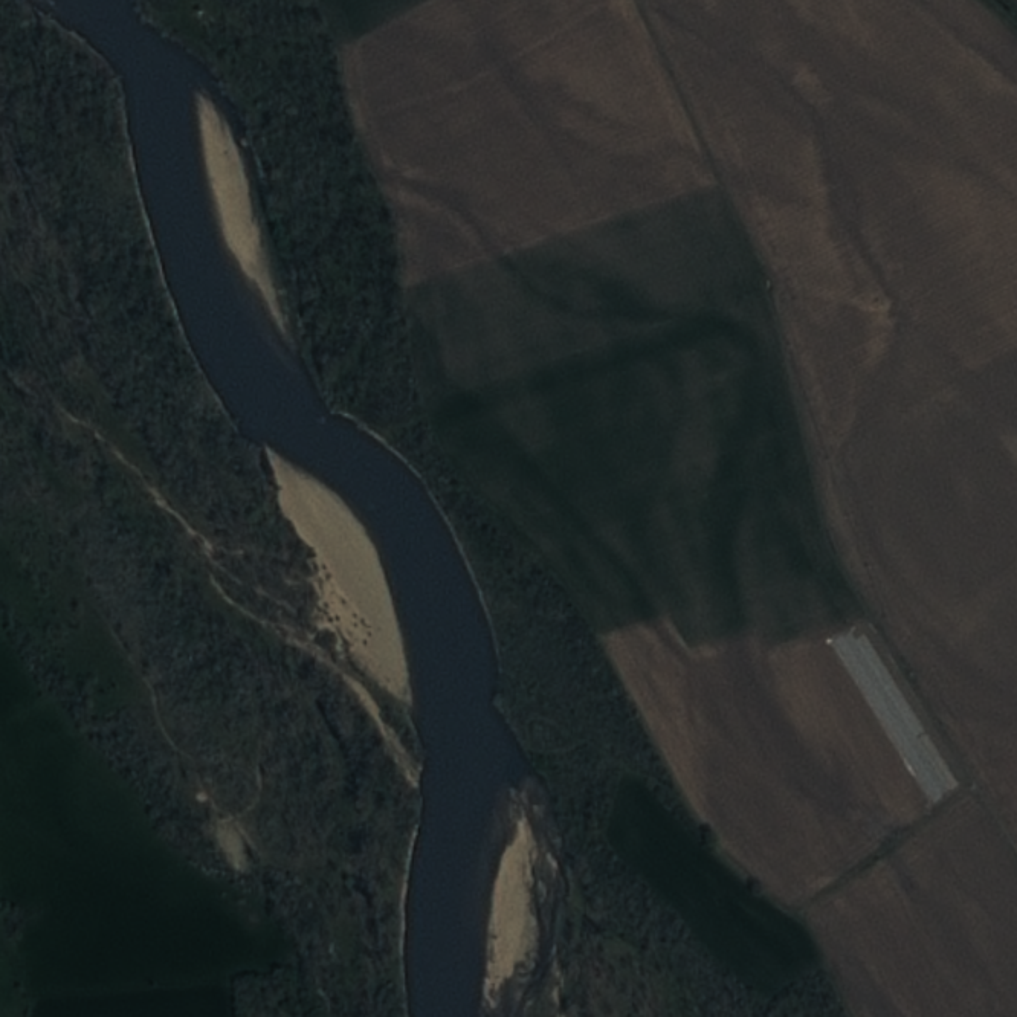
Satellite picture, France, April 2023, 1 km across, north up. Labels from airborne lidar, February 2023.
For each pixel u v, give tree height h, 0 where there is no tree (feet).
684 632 0
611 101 0
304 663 26
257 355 0
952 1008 0
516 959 0
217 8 0
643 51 0
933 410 0
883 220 0
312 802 35
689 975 37
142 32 0
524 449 0
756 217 0
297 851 45
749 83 0
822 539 0
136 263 56
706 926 0
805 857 0
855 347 0
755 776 0
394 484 0
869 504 0
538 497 0
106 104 55
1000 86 0
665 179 0
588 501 0
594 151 0
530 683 21
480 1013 0
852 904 0
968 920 0
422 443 35
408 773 0
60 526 21
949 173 0
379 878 50
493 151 0
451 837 0
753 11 0
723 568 0
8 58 51
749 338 0
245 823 0
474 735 0
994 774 0
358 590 0
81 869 0
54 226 37
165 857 0
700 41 0
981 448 0
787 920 0
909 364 0
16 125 43
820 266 0
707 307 0
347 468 0
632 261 0
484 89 0
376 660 0
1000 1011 0
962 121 0
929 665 0
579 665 23
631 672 0
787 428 0
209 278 0
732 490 0
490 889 0
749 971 0
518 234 0
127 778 31
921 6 0
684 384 0
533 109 0
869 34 0
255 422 0
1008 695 0
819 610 0
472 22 0
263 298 0
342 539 0
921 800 0
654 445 0
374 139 0
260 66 33
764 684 0
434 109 0
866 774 0
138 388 30
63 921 0
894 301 0
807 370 0
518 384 0
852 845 0
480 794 0
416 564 0
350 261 43
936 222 0
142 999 0
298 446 0
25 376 74
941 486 0
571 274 0
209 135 0
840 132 0
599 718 23
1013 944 0
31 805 0
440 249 0
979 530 0
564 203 0
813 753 0
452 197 0
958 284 0
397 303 51
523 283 0
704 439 0
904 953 0
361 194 53
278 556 53
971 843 0
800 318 0
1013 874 0
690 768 0
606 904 33
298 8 64
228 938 0
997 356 0
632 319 0
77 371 68
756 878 0
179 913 0
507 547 31
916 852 0
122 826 0
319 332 66
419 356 0
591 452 0
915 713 0
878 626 0
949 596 0
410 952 0
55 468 64
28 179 78
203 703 24
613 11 0
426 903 0
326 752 63
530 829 0
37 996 0
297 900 28
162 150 0
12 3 51
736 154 0
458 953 0
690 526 0
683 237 0
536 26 0
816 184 0
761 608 0
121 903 0
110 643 0
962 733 0
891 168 0
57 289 51
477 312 0
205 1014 0
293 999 28
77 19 0
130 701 0
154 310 34
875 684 0
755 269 0
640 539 0
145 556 32
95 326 83
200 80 0
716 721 0
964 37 0
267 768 25
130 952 0
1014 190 0
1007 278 0
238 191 0
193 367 31
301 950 43
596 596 0
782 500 0
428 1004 0
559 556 0
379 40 0
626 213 0
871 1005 0
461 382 0
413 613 0
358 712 34
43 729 0
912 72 0
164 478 91
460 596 0
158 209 0
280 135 39
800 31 0
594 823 47
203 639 38
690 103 0
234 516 42
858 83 0
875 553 0
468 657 0
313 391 0
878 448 0
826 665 0
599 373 0
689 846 0
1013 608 0
